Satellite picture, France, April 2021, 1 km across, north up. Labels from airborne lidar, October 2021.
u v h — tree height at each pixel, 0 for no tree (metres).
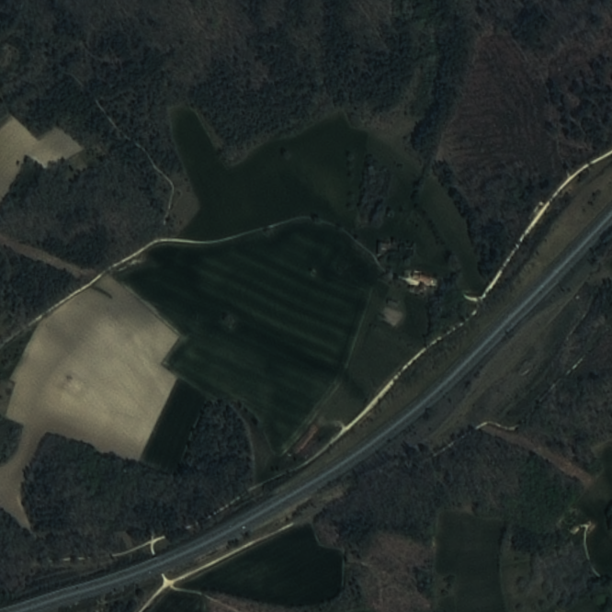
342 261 0
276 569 0
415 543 22
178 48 14
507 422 0
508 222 14
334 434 0
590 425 15
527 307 0
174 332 0
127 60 15
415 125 0
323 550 0
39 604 0
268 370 0
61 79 19
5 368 15
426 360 10
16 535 18
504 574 0
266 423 0
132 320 0
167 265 0
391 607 0
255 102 14
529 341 0
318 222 12
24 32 17
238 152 11
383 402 9
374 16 19
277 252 0
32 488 10
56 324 0
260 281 0
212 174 0
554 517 23
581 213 0
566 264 0
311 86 11
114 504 24
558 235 0
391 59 10
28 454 0
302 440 0
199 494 20
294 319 0
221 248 0
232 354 0
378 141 0
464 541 0
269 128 11
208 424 8
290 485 0
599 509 0
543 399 10
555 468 17
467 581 0
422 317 0
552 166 9
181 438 0
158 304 0
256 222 0
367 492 17
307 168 0
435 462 10
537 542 16
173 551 0
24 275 8
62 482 12
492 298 10
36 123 15
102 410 0
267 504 0
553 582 12
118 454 0
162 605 0
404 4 16
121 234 17
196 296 0
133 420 0
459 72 21
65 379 0
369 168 14
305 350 0
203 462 15
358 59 12
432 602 22
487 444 20
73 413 0
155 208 14
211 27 21
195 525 11
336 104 13
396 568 6
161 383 0
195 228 0
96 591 0
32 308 14
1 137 0
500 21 19
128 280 0
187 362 0
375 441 0
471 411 0
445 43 23
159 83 13
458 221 0
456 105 9
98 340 0
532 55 6
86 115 19
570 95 9
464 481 19
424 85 9
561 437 18
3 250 15
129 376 0
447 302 19
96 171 23
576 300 0
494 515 19
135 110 16
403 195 0
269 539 0
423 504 15
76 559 16
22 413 0
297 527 0
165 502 19
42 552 15
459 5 18
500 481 16
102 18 12
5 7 20
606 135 11
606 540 0
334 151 0
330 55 17
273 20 15
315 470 0
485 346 0
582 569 11
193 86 15
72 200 22
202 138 0
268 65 13
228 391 0
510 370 0
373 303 0
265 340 0
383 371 0
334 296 0
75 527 19
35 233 18
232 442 15
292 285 0
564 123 8
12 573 15
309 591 0
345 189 0
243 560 0
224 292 0
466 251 0
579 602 6
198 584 0
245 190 0
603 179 0
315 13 17
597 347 6
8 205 18
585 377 6
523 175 16
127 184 19
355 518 18
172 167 11
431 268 0
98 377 0
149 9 15
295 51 17
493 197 15
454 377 0
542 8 12
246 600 11
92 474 23
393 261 9
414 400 0
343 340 0
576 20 11
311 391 0
